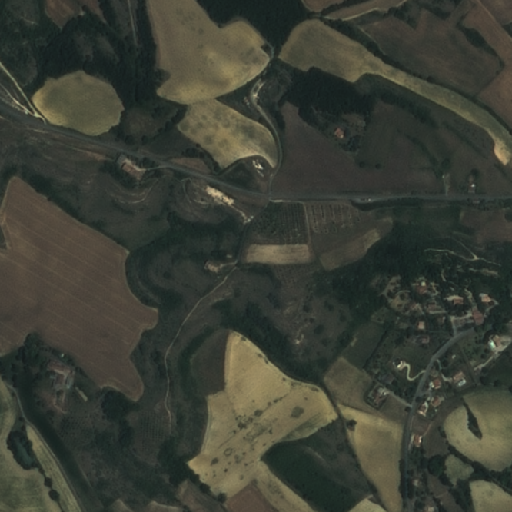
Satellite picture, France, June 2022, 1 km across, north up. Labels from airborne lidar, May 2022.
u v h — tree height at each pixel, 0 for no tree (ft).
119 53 29
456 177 0
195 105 0
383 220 0
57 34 32
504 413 0
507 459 0
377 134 0
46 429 0
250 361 0
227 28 0
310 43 0
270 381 0
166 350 0
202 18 0
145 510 0
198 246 0
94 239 0
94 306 0
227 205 0
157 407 0
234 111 0
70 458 0
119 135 34
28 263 0
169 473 22
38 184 20
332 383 0
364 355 0
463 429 0
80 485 0
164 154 0
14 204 0
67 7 0
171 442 34
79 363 0
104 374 0
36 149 0
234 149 0
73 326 0
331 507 21
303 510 0
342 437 0
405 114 0
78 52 28
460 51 0
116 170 37
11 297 0
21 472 0
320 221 0
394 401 0
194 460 0
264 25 53
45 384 0
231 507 0
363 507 0
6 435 0
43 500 0
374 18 0
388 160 0
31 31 40
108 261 0
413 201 36
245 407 0
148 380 0
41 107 0
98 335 0
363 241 0
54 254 0
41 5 38
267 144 0
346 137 29
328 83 68
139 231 0
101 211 0
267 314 0
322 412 0
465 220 0
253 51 0
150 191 0
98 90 0
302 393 0
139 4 33
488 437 0
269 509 0
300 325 0
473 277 24
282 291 0
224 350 0
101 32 37
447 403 0
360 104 38
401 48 0
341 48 0
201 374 0
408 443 0
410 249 30
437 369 21
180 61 0
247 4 57
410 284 27
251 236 0
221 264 0
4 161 0
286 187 0
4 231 0
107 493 0
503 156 0
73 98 0
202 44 0
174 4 0
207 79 0
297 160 0
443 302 17
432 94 0
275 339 18
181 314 0
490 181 0
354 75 0
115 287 0
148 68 30
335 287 25
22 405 0
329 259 0
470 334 0
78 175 0
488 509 0
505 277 18
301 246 0
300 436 0
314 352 0
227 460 0
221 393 0
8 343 0
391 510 0
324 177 0
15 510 0
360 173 0
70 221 0
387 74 0
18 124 0
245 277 0
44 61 25
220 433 0
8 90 0
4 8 33
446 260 21
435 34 0
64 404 0
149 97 51
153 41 26
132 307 0
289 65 18
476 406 0
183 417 24
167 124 33
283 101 26
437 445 0
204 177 0
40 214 0
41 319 0
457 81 0
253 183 0
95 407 0
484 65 0
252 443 0
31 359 94
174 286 0
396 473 0
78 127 0
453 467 0
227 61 0
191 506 0
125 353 0
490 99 0
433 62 0
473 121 0
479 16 0
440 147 0
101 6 34
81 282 0
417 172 0
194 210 0
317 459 0
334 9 42
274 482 0
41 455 0
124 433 20
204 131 0
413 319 25
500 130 0
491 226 0
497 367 0
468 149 0
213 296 0
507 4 0
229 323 18
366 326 0
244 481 0
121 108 0
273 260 0
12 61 26
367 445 0
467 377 0
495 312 47
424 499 23
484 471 67
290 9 55
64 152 0
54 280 0
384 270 26
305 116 42
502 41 0
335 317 0
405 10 29
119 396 64
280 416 0
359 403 0
